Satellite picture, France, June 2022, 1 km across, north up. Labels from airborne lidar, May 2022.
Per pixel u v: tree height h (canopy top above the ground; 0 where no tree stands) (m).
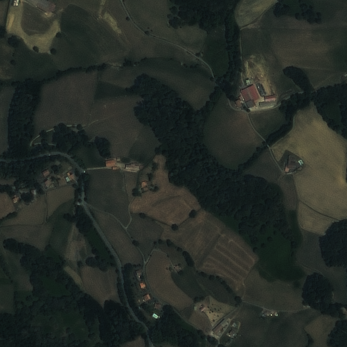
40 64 0
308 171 0
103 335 25
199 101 0
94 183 0
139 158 0
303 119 0
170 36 0
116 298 0
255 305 0
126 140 0
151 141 0
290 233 16
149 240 0
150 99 28
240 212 15
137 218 0
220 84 33
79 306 21
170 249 0
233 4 22
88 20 0
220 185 20
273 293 0
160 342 26
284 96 0
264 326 0
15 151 17
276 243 0
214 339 20
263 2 0
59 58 0
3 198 0
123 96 0
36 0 0
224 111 0
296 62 0
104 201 0
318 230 0
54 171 11
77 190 16
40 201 0
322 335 0
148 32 11
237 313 0
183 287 0
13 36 14
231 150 0
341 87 19
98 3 0
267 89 0
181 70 0
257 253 9
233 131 0
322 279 27
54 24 0
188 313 0
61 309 11
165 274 0
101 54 0
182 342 18
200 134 21
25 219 0
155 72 0
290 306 0
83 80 0
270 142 12
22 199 9
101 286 0
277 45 0
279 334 0
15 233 0
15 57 6
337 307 23
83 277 0
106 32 0
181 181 13
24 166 23
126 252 0
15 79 0
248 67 0
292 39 0
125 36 0
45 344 14
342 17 0
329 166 0
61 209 0
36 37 0
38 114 0
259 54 0
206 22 25
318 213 0
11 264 0
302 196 0
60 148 22
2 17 0
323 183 0
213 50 0
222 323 0
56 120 0
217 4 21
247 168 15
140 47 0
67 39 0
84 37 0
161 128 31
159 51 0
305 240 0
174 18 13
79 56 0
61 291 0
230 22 25
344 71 0
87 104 0
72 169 0
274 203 12
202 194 16
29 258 29
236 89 0
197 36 0
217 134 0
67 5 0
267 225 12
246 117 0
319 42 0
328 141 0
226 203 17
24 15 0
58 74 14
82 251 0
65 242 0
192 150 8
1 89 0
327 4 0
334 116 0
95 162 0
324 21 0
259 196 17
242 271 0
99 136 0
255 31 0
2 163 19
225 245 0
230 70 12
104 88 0
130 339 18
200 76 0
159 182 0
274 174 0
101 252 0
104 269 22
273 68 0
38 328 13
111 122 0
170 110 29
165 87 18
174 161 22
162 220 0
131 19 0
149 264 0
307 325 0
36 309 16
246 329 0
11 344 6
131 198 0
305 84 24
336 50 0
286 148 0
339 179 0
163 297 0
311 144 0
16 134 19
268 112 0
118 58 0
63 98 0
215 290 0
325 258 12
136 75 0
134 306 9
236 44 6
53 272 30
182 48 0
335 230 19
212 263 0
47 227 0
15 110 21
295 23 0
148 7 0
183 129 28
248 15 0
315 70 0
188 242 0
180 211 0
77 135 25
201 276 10
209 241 0
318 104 15
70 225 0
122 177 0
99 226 0
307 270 0
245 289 0
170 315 19
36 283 21
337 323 15
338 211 0
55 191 0
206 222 0
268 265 0
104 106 0
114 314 10
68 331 17
